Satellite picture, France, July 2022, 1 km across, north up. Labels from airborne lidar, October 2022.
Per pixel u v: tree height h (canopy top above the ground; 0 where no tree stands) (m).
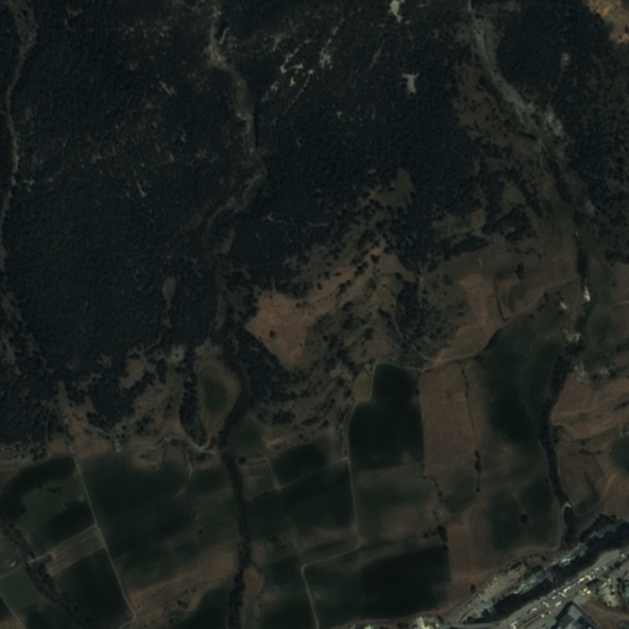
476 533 0
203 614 0
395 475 0
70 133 11
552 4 8
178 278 11
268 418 0
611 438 0
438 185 6
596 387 0
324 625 0
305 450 0
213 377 0
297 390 0
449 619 0
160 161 11
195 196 11
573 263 0
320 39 7
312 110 8
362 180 19
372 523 0
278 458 0
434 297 0
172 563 0
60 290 10
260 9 11
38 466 0
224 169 6
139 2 6
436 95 9
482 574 0
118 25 10
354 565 0
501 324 0
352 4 8
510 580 0
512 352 0
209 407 0
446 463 0
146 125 7
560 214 0
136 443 0
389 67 9
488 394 0
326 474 0
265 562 0
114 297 9
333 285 0
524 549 0
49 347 12
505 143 0
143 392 9
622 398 0
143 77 12
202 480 0
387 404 0
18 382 11
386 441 0
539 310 7
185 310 9
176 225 10
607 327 0
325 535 0
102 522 0
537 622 0
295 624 0
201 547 0
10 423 8
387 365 0
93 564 0
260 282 8
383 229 6
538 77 8
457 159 12
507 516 0
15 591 0
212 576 0
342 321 0
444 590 0
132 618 0
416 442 0
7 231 19
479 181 11
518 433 0
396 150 11
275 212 7
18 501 0
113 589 0
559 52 7
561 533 0
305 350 0
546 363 0
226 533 0
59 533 0
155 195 13
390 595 0
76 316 10
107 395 7
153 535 0
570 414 0
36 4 19
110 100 13
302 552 0
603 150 7
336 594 0
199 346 8
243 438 0
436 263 11
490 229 13
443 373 0
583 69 6
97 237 14
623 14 0
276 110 6
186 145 10
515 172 10
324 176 11
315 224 6
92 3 10
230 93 7
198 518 0
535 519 0
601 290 0
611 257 9
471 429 0
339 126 9
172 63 6
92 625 9
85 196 13
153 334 10
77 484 0
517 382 0
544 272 0
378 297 0
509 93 0
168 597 0
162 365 11
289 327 0
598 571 0
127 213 14
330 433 0
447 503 0
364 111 8
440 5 6
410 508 0
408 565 0
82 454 0
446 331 0
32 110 6
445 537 13
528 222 11
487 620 17
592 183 7
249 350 6
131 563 0
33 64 11
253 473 0
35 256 10
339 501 0
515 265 0
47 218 11
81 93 16
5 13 22
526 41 7
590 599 0
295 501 0
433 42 7
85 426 0
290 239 6
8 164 15
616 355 0
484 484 0
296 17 6
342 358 12
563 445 0
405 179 0
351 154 19
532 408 0
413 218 8
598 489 0
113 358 6
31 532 0
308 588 0
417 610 0
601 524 17
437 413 0
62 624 0
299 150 9
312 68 6
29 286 8
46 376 12
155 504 0
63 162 10
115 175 12
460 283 0
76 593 0
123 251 10
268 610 0
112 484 0
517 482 0
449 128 9
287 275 6
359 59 6
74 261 12
